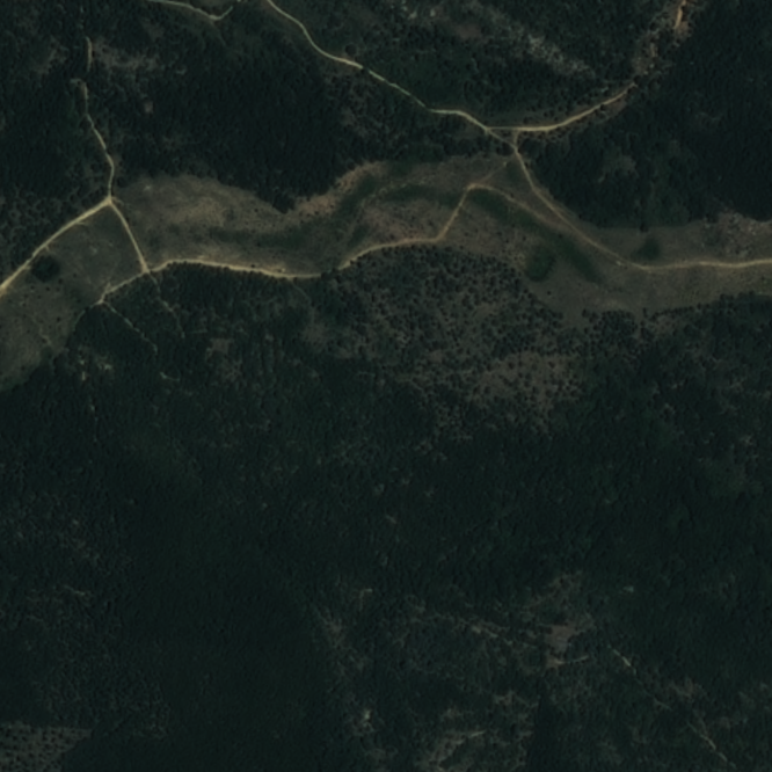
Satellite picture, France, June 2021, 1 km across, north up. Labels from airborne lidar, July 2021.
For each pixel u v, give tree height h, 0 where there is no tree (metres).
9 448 12
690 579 14
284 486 8
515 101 8
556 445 11
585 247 0
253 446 10
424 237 0
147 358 10
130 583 16
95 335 11
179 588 15
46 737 12
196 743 11
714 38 6
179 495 16
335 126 13
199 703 10
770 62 9
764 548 18
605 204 8
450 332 7
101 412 12
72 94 11
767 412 11
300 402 9
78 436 11
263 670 9
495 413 7
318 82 15
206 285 8
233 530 15
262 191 10
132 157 9
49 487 12
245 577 14
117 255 0
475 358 7
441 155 8
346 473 8
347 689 8
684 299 0
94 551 6
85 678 12
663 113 10
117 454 9
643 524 15
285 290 10
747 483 8
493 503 10
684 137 11
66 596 12
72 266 0
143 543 15
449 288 9
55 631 9
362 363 11
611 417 13
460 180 0
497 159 0
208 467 12
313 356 9
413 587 12
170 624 18
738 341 8
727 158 9
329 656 7
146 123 8
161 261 0
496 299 9
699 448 14
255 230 0
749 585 13
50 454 11
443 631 11
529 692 8
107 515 15
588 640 13
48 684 7
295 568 9
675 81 8
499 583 13
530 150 8
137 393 10
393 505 10
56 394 11
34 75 8
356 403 5
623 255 0
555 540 12
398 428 9
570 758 6
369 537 8
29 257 10
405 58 8
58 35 10
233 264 0
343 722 12
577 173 11
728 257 0
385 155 10
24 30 9
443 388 9
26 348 0
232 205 0
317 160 11
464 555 11
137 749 10
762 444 12
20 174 11
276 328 9
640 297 0
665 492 17
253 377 10
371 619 9
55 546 10
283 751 15
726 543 17
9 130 10
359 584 6
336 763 12
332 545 7
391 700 10
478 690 8
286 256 0
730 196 7
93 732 11
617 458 12
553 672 9
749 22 7
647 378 14
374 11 9
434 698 11
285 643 15
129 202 0
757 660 9
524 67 12
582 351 11
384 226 0
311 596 9
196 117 9
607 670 8
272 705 12
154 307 8
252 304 7
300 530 13
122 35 8
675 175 10
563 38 11
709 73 12
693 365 7
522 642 7
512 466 13
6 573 14
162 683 10
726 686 10
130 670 13
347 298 10
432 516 9
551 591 7
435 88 6
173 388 7
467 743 8
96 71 8
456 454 10
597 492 13
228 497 6
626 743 7
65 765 12
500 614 8
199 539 12
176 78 10
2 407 12
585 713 9
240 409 7
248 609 15
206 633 16
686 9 12
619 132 7
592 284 0
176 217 0
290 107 10
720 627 15
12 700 16
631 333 11
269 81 13
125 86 10
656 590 16
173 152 7
